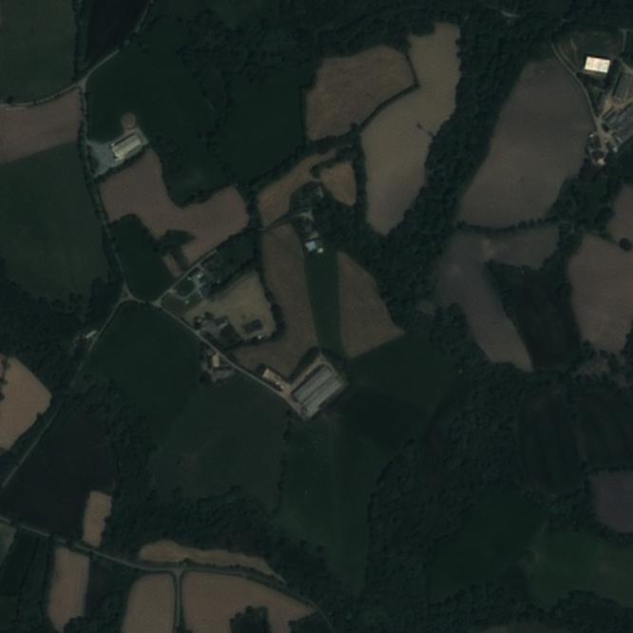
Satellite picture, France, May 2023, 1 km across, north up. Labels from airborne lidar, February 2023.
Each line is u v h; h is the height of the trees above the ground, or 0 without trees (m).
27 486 0
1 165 0
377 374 0
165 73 0
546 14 6
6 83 0
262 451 0
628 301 0
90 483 0
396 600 9
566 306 8
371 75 0
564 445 0
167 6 0
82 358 27
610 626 13
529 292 0
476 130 23
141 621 0
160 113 0
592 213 0
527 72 0
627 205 0
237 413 0
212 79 0
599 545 0
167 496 0
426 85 0
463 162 24
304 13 19
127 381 0
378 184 0
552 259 9
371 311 0
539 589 0
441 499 7
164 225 0
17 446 8
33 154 0
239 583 0
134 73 0
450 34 0
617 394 9
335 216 9
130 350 0
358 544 0
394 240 19
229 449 0
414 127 0
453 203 21
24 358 8
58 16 0
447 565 0
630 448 0
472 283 0
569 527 12
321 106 0
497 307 0
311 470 0
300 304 0
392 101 5
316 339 0
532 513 0
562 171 0
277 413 0
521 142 0
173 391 0
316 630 0
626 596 0
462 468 7
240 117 0
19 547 0
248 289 0
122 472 10
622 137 0
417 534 7
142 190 0
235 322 0
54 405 10
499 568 0
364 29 9
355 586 0
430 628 14
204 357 7
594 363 15
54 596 0
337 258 0
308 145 11
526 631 0
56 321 16
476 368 7
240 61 24
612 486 0
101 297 17
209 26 23
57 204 0
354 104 0
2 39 0
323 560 7
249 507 8
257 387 0
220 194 0
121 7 0
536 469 0
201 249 0
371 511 14
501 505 0
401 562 8
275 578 10
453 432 10
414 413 0
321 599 10
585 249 0
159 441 0
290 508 0
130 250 0
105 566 0
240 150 0
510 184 0
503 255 0
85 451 0
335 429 0
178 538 8
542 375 14
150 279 0
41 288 0
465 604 15
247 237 16
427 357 0
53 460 0
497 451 11
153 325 0
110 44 0
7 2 0
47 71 0
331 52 9
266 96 0
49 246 0
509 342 0
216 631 0
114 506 14
